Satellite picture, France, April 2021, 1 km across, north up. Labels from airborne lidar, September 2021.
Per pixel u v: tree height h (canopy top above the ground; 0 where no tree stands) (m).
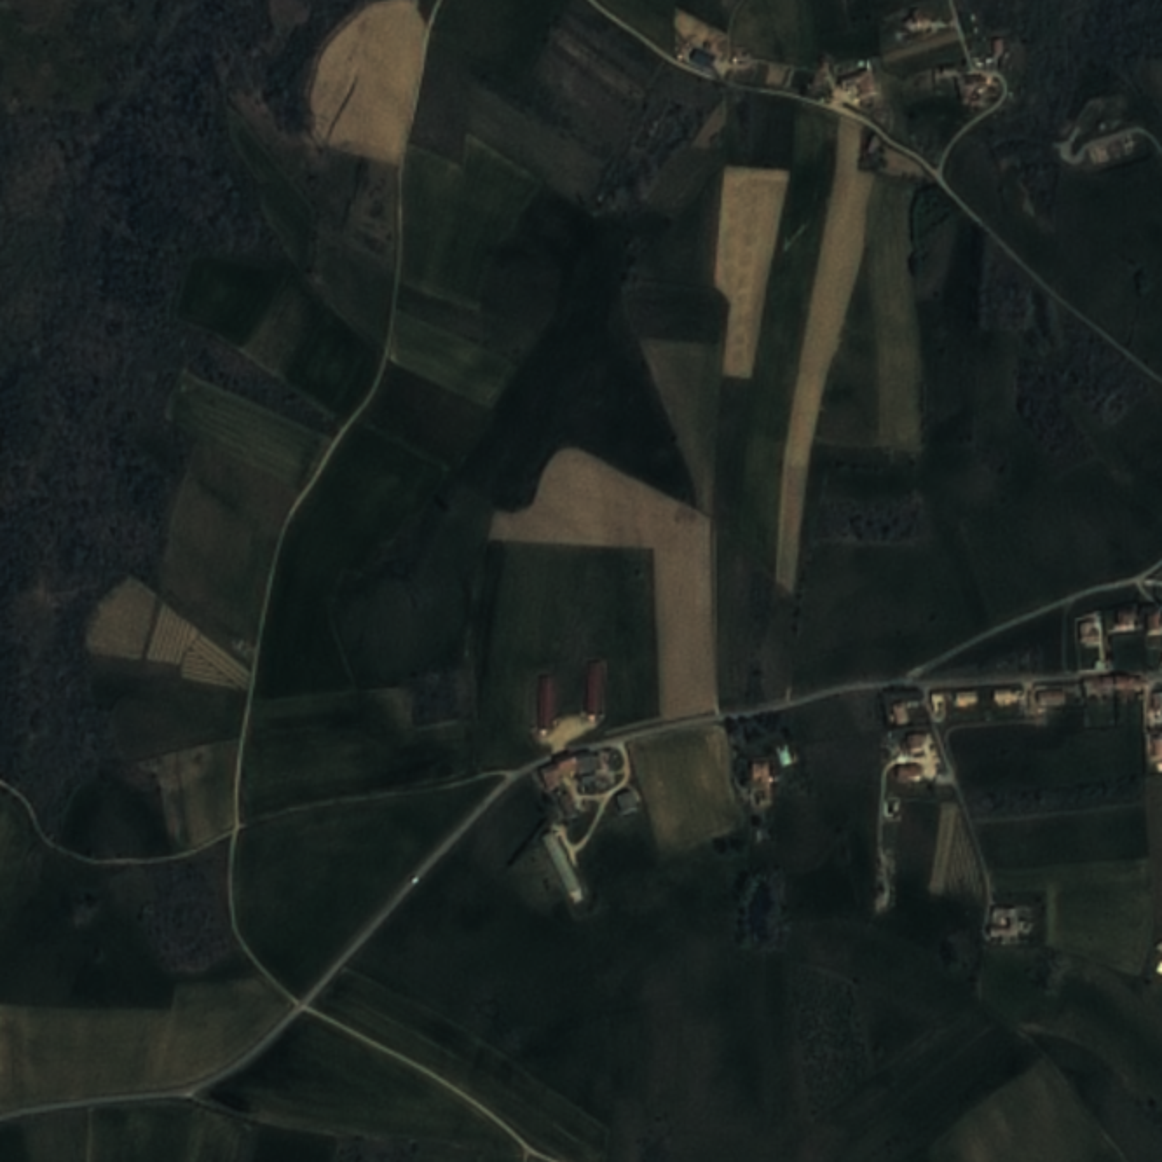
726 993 0
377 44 0
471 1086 0
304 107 6
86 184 14
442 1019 0
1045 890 0
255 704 0
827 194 0
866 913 0
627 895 0
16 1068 0
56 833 8
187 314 0
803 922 0
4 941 0
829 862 0
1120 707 5
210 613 0
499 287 0
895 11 0
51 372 16
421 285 0
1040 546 0
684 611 0
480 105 0
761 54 0
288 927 0
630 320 0
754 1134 0
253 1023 0
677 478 0
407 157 0
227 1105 0
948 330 0
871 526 7
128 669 0
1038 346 21
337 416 0
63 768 9
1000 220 0
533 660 0
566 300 0
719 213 0
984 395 0
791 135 0
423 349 0
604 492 0
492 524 0
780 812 0
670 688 0
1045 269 0
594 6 0
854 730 0
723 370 0
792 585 0
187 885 7
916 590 0
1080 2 6
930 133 0
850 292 0
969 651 0
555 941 0
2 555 13
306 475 0
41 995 0
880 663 0
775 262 0
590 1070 0
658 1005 0
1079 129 0
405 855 0
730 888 0
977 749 0
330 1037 0
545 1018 0
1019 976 0
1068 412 12
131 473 9
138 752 0
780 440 0
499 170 0
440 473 0
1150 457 0
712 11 0
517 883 0
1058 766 0
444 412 0
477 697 0
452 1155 0
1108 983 0
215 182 16
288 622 0
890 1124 0
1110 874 0
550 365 0
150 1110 0
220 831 0
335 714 0
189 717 0
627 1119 0
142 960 0
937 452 0
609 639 0
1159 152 0
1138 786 6
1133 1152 0
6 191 7
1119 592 0
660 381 0
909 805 0
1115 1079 0
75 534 10
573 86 0
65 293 7
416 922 0
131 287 11
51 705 13
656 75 0
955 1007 0
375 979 0
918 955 0
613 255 0
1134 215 0
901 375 0
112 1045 0
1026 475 0
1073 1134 0
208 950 6
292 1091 0
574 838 0
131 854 0
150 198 12
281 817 0
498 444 0
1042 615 0
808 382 0
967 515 0
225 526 0
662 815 0
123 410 6
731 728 8
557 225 0
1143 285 8
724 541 0
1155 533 0
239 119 0
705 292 0
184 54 11
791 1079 0
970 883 0
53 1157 0
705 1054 0
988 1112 0
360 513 0
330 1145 0
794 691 0
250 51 13
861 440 0
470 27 0
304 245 0
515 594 0
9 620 9
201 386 0
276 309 0
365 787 0
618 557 0
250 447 0
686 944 0
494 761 0
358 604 0
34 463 8
